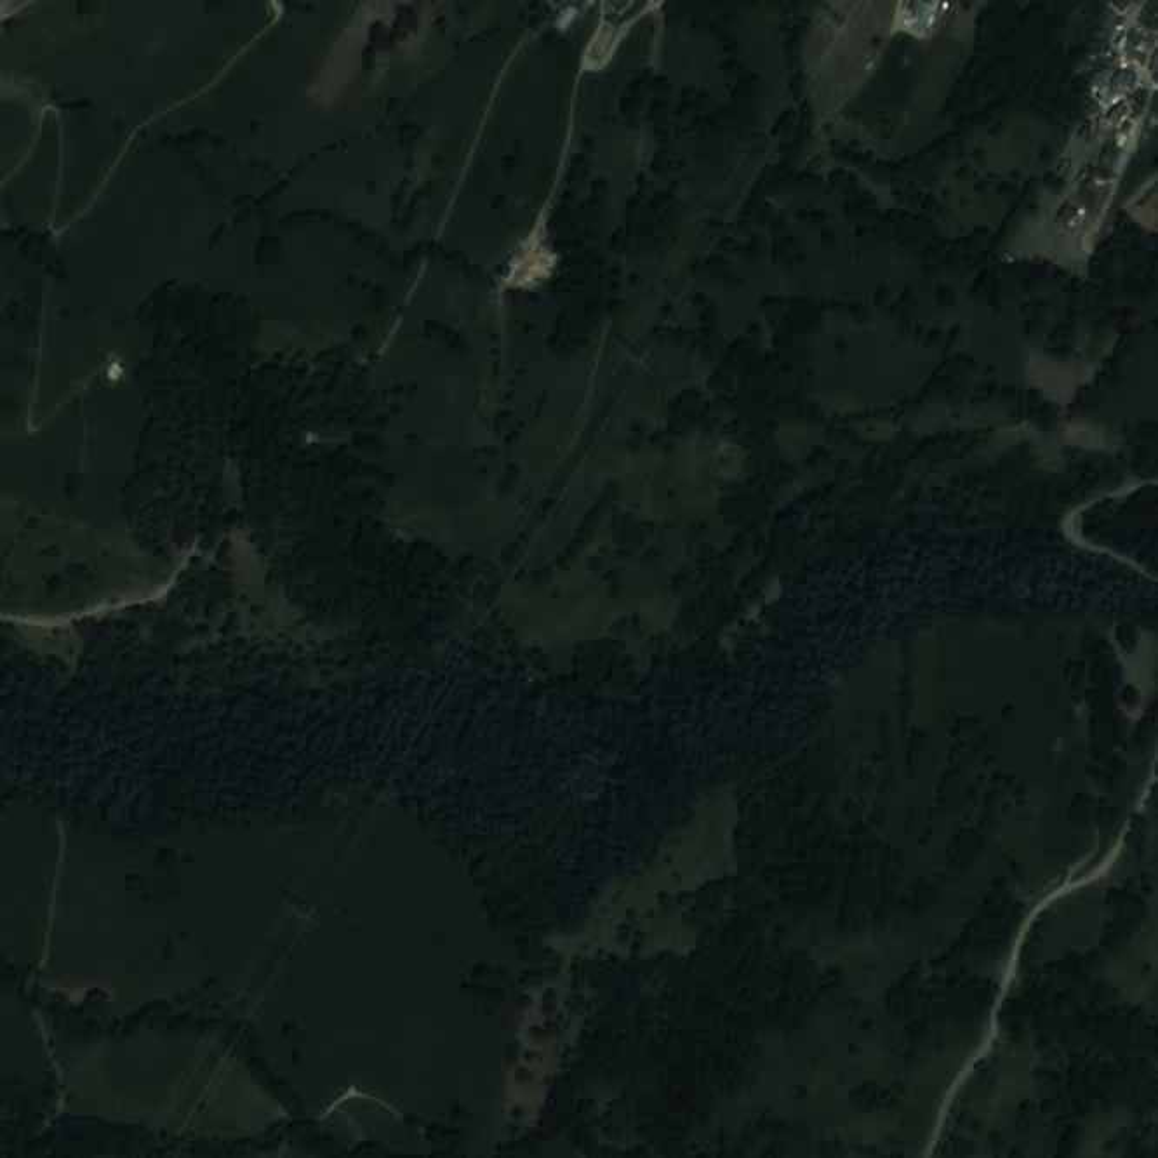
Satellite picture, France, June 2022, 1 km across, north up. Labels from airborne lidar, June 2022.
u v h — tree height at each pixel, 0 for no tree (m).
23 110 0
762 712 23
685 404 18
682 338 16
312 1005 0
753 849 18
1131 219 16
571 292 20
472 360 0
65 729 20
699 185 14
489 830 26
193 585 19
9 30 12
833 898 22
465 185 0
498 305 0
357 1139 0
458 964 0
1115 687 22
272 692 25
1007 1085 0
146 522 14
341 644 10
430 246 11
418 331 0
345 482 24
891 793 15
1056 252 0
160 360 14
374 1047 0
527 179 0
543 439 0
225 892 0
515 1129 11
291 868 0
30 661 15
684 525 0
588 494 0
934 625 19
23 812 0
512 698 33
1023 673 0
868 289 0
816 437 0
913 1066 12
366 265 0
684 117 16
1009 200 15
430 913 0
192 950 0
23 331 0
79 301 0
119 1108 0
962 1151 12
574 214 23
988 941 18
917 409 11
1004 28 18
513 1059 13
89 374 0
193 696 18
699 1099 19
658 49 0
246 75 0
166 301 17
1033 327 19
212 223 0
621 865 17
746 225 16
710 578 22
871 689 0
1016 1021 11
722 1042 17
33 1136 23
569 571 15
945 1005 17
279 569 10
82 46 0
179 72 0
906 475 23
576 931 15
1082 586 27
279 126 0
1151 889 13
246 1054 17
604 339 0
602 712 25
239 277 0
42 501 0
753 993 22
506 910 18
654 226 19
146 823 20
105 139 0
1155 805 7
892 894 20
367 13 0
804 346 21
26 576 0
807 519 34
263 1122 0
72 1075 0
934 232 22
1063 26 20
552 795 22
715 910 14
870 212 21
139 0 0
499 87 0
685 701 28
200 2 0
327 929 0
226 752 27
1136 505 15
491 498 0
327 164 0
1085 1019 22
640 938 14
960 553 23
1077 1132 14
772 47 0
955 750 14
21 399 0
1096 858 0
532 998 9
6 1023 0
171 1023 20
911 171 18
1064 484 8
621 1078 15
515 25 0
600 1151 16
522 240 0
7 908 0
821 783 20
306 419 20
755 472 10
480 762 28
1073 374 0
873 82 0
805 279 0
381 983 0
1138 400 0
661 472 0
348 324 0
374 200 0
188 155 12
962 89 10
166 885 0
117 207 0
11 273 0
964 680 0
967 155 19
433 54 0
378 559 18
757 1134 10
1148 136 0
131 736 25
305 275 0
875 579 13
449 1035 0
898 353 0
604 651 18
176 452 12
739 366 22
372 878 0
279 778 29
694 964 18
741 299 0
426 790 28
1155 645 0
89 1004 10
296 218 13
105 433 0
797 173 15
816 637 34
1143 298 24
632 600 0
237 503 0
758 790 9
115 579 0
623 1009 21
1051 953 0
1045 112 17
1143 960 0
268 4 0
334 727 33
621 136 0
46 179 0
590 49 0
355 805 40
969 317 0
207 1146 18
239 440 27
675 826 13
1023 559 23
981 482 24
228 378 18
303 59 0
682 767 18
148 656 14
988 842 19
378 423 8
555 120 0
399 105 16
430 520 0
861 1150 10
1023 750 0
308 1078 0
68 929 0
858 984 0
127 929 0
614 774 25
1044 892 0
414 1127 12
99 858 0
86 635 19
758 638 15
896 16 0
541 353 0
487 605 15
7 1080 11
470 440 0
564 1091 17
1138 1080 15
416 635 22
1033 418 13
